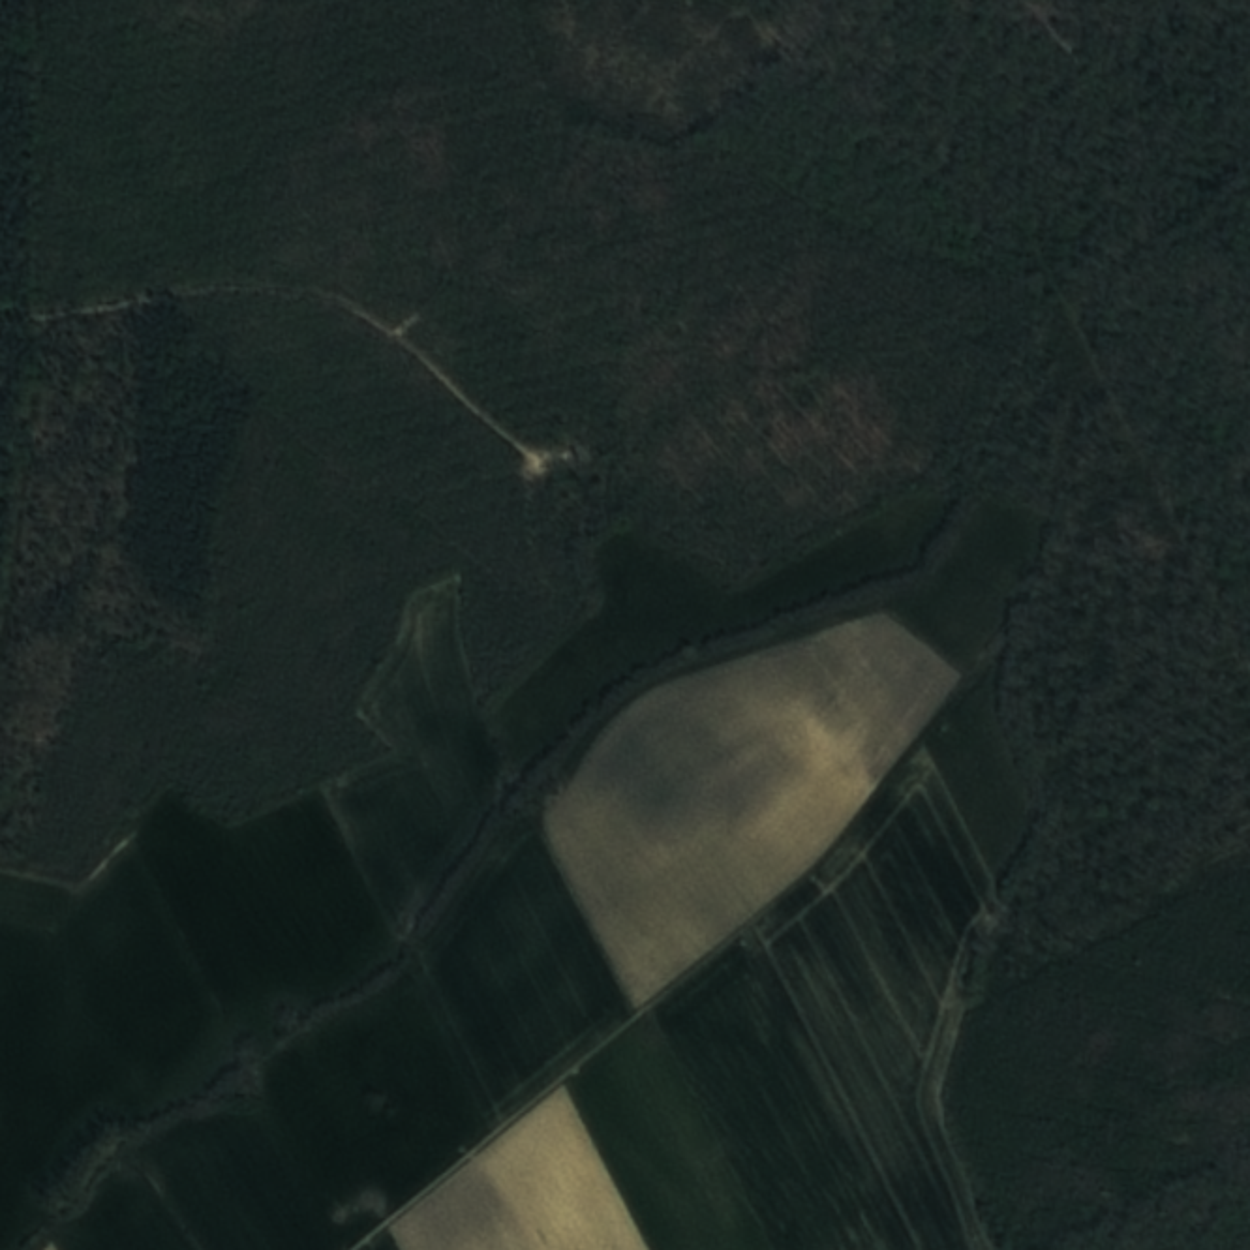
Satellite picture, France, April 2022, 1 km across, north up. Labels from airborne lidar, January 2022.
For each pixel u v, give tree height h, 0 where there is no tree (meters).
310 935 0
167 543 19
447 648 0
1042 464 25
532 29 8
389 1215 0
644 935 0
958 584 0
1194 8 21
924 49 23
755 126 24
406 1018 0
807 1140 0
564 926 0
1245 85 23
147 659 9
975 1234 0
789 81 24
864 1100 0
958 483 12
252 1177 0
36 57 18
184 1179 0
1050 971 7
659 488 0
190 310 16
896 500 13
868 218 19
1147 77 23
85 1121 0
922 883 0
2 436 23
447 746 0
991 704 0
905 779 0
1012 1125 6
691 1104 0
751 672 0
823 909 0
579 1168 0
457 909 0
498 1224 0
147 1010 0
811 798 0
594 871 0
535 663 12
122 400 19
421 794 0
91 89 18
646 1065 0
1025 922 28
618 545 0
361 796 0
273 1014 0
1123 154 23
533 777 15
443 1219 0
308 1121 0
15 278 24
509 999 0
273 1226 0
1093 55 22
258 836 0
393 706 0
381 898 0
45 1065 0
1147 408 22
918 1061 0
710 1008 0
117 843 0
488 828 13
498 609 9
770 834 0
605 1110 0
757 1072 0
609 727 0
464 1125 0
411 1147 0
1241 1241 21
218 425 18
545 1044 0
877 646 0
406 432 0
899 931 0
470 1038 0
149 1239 0
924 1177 0
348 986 0
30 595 21
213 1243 0
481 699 7
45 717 7
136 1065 0
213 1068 0
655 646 0
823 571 0
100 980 0
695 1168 0
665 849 0
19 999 0
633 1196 0
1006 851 0
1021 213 28
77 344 18
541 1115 0
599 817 0
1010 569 0
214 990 0
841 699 0
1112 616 23
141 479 20
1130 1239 25
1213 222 21
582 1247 0
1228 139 21
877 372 17
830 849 0
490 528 0
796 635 0
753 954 0
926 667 0
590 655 0
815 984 0
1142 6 20
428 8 18
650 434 0
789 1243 0
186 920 0
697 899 0
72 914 0
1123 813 22
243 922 0
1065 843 23
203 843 0
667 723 0
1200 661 25
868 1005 0
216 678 18
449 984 0
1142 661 24
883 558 0
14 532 20
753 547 13
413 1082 0
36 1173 0
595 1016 0
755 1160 0
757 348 20
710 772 0
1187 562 0
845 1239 0
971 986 13
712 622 0
